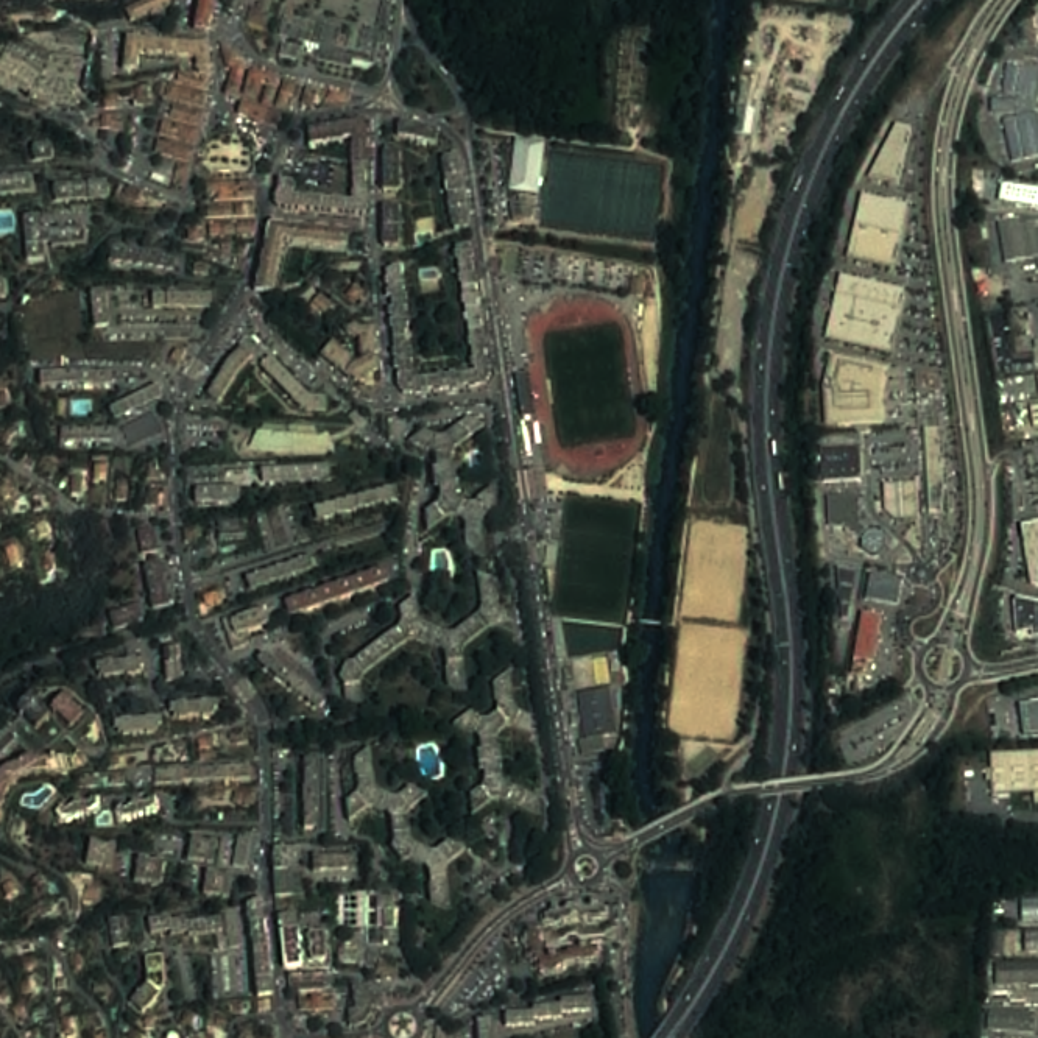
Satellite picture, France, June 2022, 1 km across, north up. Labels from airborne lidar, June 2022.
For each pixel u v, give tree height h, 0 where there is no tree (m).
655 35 7
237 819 0
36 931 7
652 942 0
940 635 0
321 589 0
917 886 5
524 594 12
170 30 15
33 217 0
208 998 14
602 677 0
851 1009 0
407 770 17
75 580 9
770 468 0
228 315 0
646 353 0
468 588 16
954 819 18
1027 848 17
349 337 12
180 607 10
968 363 0
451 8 20
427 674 15
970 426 0
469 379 0
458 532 16
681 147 17
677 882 0
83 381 0
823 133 0
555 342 0
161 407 9
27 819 6
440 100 0
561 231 0
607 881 0
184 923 0
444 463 0
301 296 8
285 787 10
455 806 19
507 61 18
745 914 0
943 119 0
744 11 19
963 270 0
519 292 0
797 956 19
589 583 0
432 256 8
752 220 0
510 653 15
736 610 0
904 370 0
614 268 0
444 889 0
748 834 22
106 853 0
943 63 0
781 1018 11
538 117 13
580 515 0
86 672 13
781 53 0
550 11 8
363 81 6
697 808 0
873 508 0
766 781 12
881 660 0
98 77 8
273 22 6
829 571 9
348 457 0
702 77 20
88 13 9
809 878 18
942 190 0
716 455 0
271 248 0
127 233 11
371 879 7
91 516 12
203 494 0
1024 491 0
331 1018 0
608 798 0
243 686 0
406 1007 0
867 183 0
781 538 0
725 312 0
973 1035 13
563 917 0
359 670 0
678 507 12
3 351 13
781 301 0
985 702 0
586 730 0
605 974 10
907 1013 8
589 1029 10
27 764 0
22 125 13
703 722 0
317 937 0
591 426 0
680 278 19
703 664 0
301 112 0
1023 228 0
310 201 0
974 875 21
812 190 0
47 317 0
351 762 6
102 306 0
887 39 0
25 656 16
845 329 0
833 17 0
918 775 7
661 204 0
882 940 6
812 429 12
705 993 0
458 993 0
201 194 7
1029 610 0
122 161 10
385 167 0
